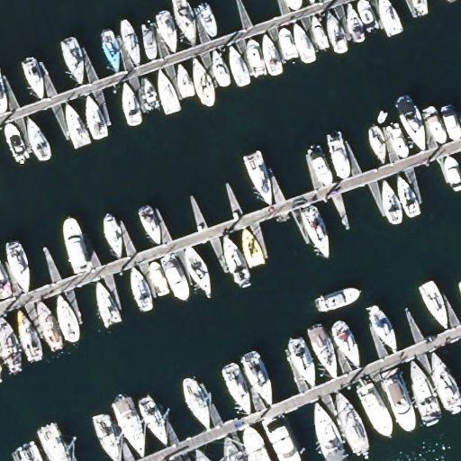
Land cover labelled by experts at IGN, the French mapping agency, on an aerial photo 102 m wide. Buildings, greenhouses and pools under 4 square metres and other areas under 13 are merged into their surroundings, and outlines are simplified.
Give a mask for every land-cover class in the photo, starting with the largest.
<instances>
[{"label":"water","instance_id":"1","mask_svg":"<svg viewBox=\"0 0 461 461\"><path fill-rule=\"evenodd\" d=\"M0 461H461V0H0Z\"/></svg>","mask_w":461,"mask_h":461}]
</instances>
